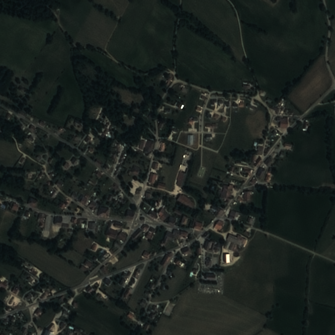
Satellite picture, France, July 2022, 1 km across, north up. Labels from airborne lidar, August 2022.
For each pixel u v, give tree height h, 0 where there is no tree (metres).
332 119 23
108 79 21
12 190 0
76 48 11
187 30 0
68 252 0
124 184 19
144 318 14
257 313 0
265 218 23
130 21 0
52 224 0
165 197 7
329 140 22
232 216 0
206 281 15
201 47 0
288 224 0
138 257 0
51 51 0
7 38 0
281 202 0
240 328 0
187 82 12
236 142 0
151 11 0
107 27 0
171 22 0
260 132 0
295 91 0
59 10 0
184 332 0
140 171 8
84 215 0
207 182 8
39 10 23
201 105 0
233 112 0
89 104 20
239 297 0
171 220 0
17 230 16
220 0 0
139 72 12
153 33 0
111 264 0
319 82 0
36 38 0
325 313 0
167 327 0
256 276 0
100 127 12
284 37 0
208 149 0
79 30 0
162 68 18
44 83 0
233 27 0
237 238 0
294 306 0
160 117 20
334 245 0
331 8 0
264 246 0
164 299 0
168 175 0
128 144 18
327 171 0
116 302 17
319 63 0
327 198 0
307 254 0
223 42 10
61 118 0
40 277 11
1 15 0
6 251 21
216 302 0
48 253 14
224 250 0
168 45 0
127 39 0
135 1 0
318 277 0
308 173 0
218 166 0
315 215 0
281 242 0
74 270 0
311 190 17
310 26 0
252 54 0
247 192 0
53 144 0
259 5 0
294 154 0
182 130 0
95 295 12
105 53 11
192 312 0
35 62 0
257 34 0
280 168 0
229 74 0
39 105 0
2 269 0
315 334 0
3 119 18
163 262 0
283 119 0
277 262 0
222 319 0
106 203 9
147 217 0
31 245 0
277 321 0
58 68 0
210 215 0
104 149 20
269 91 0
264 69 0
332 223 0
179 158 0
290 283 0
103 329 0
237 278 0
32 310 0
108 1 0
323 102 7
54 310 14
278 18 0
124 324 11
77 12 0
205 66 0
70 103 0
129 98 0
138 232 0
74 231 12
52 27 0
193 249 11
